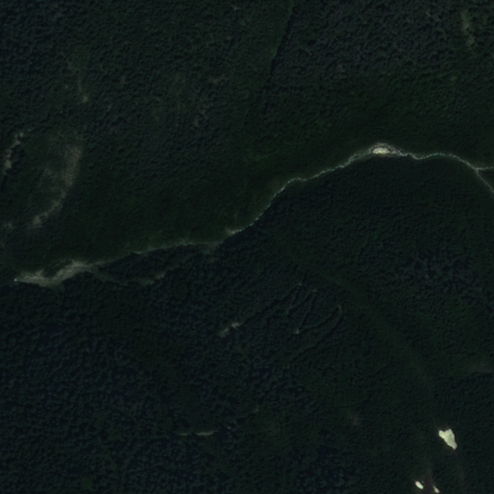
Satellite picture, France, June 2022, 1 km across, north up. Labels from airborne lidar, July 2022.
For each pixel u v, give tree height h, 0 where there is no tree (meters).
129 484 14
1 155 16
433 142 12
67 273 0
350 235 10
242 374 23
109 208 14
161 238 7
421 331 9
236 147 10
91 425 11
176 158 20
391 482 5
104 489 10
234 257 12
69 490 19
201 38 9
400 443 8
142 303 18
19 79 28
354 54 34
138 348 20
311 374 9
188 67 19
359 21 27
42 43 30
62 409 26
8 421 36
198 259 14
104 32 21
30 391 20
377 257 12
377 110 12
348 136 9
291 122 21
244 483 7
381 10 32
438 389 8
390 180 6
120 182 19
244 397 8
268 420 7
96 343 45
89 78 13
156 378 14
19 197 20
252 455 13
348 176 6
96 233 18
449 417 6
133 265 11
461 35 10
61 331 38
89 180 17
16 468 18
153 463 24
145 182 17
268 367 10
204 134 27
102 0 10
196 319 32
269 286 21
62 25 31
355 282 16
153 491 20
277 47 11
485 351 10
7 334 27
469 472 6
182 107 8
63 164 8
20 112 28
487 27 10
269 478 7
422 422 9
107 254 11
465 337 6
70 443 29
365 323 9
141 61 23
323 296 20
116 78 13
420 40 30
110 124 29
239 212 8
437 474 10
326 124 8
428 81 15
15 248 14
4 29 10
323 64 39
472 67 14
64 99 7
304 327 11
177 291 24
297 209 9
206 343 11
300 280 13
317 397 8
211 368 17
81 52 13
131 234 16
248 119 9
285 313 14
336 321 14
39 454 23
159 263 9
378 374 10
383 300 9
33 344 28
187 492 13
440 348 8
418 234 12
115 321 19
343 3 27
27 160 22
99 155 19
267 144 13
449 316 8
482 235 6
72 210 17
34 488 21
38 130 34
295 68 31
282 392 24
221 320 27
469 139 11
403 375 8
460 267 36
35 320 20
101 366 20
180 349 22
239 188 11
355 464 8
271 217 12
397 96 14
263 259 13
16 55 27
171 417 11
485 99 10
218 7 9
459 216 7
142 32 20
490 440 7
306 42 26
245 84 11
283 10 9
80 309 17
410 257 11
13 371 32
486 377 12
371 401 8
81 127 12
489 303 10
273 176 13
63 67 14
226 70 19
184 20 16
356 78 12
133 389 27
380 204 7
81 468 11
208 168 17
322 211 8
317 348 9
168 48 18
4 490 26
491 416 9
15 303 13
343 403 8
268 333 21
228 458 6
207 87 23
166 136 22
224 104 8
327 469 14
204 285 14
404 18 31
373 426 10
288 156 10
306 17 19
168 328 10
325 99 10
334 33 32
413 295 7
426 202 6
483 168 0
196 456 29
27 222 11
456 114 18
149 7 10
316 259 13
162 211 13
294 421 10
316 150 10
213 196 9
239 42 28
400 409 7
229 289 12
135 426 30
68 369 26
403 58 33
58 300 25
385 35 27
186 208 11
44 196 10
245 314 19
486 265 6
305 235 10
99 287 14
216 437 9
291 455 8
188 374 23
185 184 14
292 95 31
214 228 11
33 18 28
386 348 9
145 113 24
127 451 23
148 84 27
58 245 10
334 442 12
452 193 6
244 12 15
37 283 0
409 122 7
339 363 9
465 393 9
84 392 10
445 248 8
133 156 19
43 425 26
